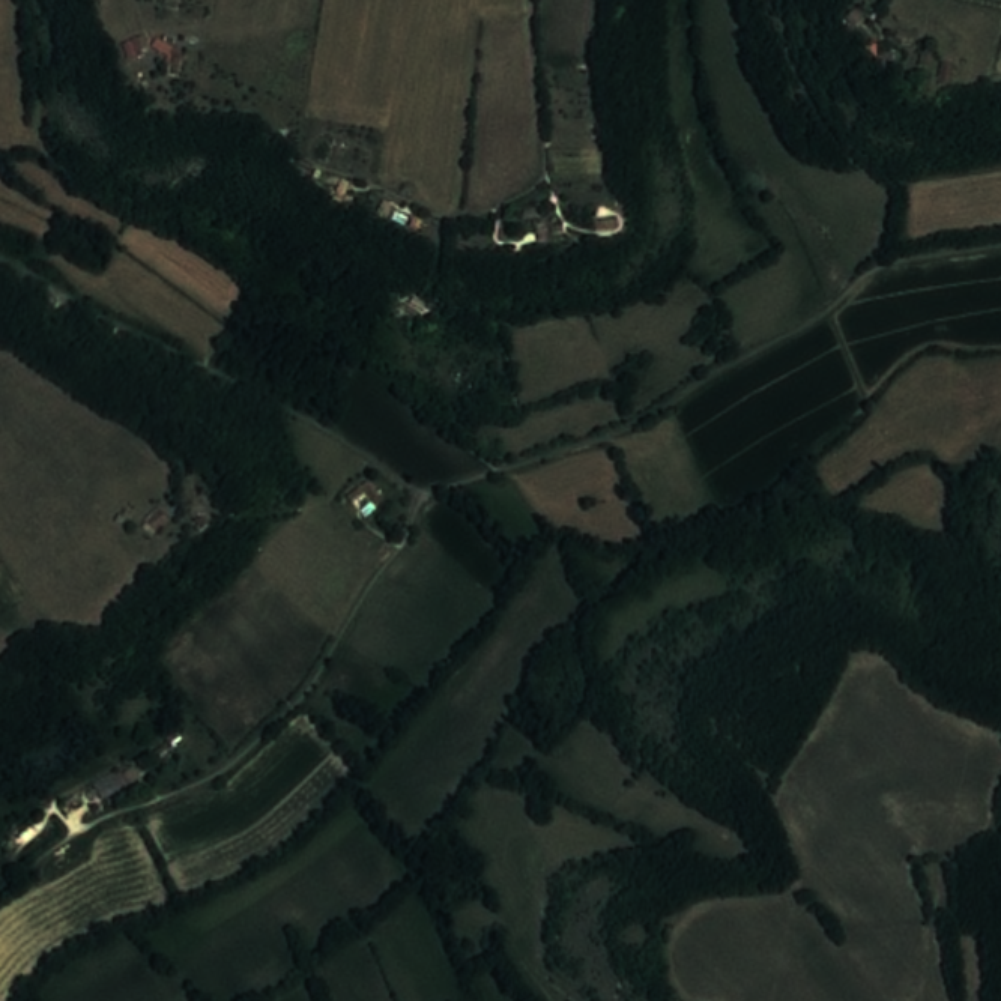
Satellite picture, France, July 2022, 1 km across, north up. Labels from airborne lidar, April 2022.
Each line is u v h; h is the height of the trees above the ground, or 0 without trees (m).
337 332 13
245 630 0
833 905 0
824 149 18
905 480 0
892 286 0
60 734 12
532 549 33
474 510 19
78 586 0
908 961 0
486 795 0
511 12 0
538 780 18
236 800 0
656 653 8
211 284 0
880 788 0
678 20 0
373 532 0
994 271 0
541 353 0
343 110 0
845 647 13
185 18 0
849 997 0
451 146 0
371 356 7
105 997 0
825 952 0
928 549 24
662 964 12
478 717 0
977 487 12
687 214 7
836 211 0
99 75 15
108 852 0
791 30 11
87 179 20
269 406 22
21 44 11
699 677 11
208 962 0
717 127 13
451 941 14
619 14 23
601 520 0
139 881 0
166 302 0
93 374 21
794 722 12
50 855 0
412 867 14
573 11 0
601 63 19
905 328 0
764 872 13
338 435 0
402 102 0
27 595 0
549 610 0
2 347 10
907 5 0
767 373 0
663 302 11
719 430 0
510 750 0
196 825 0
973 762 0
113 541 0
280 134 7
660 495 0
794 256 0
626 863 17
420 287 8
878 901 0
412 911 0
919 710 0
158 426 21
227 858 0
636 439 0
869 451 0
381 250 20
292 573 0
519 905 0
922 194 0
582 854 0
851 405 0
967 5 0
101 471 0
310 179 8
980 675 13
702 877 16
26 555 0
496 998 0
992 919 15
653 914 11
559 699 7
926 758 0
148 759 20
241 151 11
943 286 0
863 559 12
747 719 10
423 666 0
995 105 16
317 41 0
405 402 12
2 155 13
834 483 0
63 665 19
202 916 0
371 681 0
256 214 13
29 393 0
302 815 0
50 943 0
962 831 0
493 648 0
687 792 13
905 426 0
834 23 12
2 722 16
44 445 0
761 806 13
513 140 0
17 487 0
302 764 0
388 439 0
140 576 11
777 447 0
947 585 18
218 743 6
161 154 11
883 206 0
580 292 15
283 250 17
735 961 0
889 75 13
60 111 0
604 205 0
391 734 11
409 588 0
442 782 0
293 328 19
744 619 0
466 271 16
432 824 15
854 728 0
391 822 10
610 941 8
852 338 0
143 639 24
